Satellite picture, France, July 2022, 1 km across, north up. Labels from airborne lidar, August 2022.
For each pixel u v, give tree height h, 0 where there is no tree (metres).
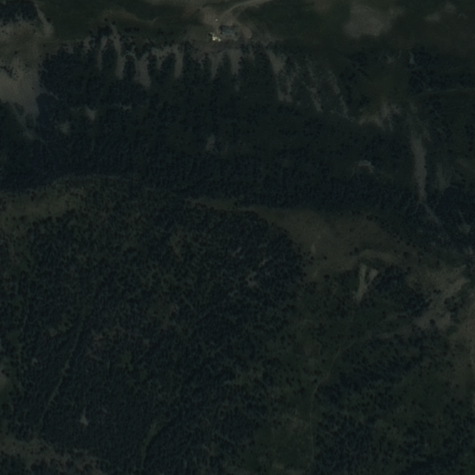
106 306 11
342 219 0
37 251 9
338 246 0
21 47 0
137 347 11
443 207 8
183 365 14
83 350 19
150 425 12
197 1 0
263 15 0
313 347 0
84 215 8
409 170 0
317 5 0
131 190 7
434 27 0
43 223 8
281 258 7
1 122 8
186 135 0
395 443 0
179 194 8
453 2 0
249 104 0
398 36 0
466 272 0
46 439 19
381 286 8
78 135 7
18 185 8
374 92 0
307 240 0
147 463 13
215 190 8
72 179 6
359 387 11
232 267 8
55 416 15
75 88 6
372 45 0
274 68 0
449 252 0
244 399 7
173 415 8
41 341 19
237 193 7
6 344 12
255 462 0
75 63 10
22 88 0
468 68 0
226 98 0
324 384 0
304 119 0
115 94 7
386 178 0
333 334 0
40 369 15
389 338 0
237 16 0
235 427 16
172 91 0
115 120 7
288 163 0
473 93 0
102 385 17
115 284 8
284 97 0
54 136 6
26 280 13
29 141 0
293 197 9
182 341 7
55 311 17
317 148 0
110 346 13
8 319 13
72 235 11
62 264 12
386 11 0
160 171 7
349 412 9
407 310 6
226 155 0
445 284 0
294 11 0
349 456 17
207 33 0
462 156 0
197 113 7
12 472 8
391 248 0
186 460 12
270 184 8
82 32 0
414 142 0
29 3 7
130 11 0
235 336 8
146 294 13
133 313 10
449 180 0
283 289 9
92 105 9
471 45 0
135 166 8
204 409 13
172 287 8
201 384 17
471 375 0
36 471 20
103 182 8
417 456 13
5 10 10
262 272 11
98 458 14
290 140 0
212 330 10
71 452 13
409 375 12
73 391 18
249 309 13
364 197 7
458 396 0
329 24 0
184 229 7
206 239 7
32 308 20
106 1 0
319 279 0
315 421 0
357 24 0
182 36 0
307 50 0
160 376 11
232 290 7
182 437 11
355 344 0
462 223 6
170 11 0
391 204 8
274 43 0
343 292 7
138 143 12
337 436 17
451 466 9
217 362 10
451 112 0
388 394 11
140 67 0
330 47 0
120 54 0
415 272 0
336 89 0
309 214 0
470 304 0
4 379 0
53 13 0
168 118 10
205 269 8
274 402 8
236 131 7
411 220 6
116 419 17
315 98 0
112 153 7
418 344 7
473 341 0
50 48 0
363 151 0
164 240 9
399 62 0
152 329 9
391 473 0
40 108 0
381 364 9
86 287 9
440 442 0
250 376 8
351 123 0
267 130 0
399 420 0
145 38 0
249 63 0
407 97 0
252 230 6
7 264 6
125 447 21
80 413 18
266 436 0
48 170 10
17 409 14
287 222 0
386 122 0
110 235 8
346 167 0
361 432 15
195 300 8
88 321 12
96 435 13
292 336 6
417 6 0
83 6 0
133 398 18
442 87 8
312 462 0
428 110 0
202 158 8
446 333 0
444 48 0
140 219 8
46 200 6
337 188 9
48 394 14
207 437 9
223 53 0
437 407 0
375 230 0
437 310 0
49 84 10
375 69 0
